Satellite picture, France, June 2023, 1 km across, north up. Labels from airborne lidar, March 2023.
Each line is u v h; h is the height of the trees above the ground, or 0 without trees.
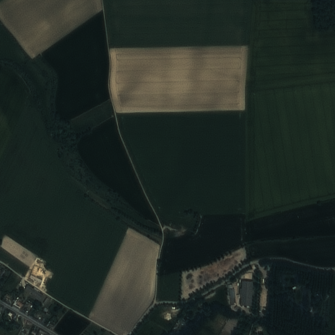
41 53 0
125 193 0
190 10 0
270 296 27
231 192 0
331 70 0
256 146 0
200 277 0
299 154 0
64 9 0
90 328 0
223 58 0
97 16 0
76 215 0
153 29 0
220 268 0
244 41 0
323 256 0
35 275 0
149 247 0
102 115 0
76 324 0
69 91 0
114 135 0
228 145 0
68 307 0
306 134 0
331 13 16
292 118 0
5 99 0
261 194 0
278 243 0
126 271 0
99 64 0
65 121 17
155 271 0
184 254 0
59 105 0
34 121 0
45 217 0
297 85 0
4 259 0
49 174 0
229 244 0
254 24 0
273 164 0
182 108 0
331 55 0
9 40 0
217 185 0
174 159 0
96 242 0
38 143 0
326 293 7
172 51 0
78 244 0
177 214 0
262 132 0
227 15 0
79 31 0
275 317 30
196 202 0
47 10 0
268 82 0
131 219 7
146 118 0
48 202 0
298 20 0
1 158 0
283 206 0
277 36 0
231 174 0
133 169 0
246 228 0
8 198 0
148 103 0
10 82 0
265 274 0
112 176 0
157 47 0
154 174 0
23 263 0
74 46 0
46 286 0
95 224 0
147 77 0
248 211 0
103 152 0
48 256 0
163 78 0
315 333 30
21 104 0
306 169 0
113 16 0
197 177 0
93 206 0
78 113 0
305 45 0
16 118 0
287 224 0
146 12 0
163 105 0
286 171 0
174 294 0
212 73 0
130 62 0
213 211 0
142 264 0
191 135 0
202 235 0
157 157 0
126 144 0
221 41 0
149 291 0
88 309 0
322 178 0
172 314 0
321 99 0
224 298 0
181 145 0
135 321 0
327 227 0
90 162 0
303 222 0
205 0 0
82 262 0
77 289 0
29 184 0
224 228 0
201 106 0
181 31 0
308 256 0
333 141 0
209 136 0
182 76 0
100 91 0
